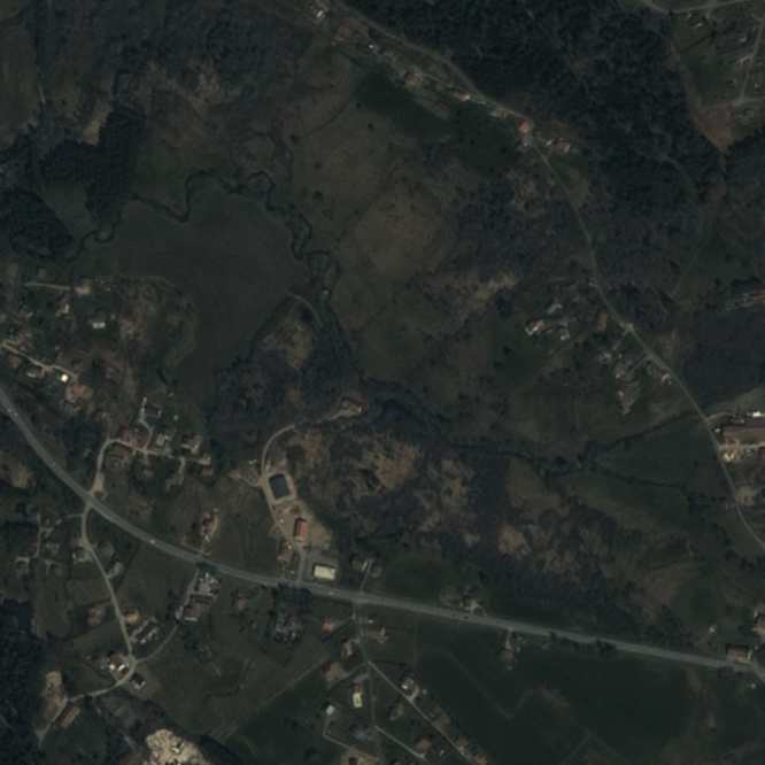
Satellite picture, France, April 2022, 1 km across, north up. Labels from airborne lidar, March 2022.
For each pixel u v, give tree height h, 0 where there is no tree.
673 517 0
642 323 19
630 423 0
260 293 0
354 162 0
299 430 8
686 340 0
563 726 0
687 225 17
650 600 0
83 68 0
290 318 0
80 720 0
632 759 0
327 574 0
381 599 0
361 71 0
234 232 0
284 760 0
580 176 0
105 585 0
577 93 40
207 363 0
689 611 0
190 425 0
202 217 0
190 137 0
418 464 6
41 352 0
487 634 0
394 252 0
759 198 7
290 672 0
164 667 0
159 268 0
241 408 9
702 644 0
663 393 0
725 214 17
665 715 0
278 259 0
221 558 0
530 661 0
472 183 0
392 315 0
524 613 0
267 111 0
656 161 0
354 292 0
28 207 30
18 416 0
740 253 14
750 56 0
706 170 34
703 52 0
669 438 0
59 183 26
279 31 11
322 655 0
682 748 0
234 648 0
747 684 14
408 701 0
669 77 8
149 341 0
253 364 11
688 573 0
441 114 0
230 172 0
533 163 0
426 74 0
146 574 0
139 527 0
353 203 0
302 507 0
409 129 0
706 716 0
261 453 9
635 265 21
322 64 0
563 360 0
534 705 0
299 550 0
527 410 0
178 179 0
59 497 17
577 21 18
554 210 14
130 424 0
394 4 33
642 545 0
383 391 18
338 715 0
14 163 27
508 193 9
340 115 0
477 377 0
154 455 0
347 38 0
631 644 0
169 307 0
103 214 26
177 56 5
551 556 0
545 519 8
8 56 0
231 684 0
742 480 0
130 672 0
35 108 0
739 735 0
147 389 0
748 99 0
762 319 16
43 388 7
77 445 13
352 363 21
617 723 0
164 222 0
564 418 0
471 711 0
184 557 0
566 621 0
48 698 0
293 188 0
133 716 0
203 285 0
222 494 0
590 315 0
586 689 0
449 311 14
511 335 0
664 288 0
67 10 16
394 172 0
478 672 0
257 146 0
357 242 0
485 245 18
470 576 0
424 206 0
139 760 9
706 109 0
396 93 0
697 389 16
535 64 15
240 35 15
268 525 0
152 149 0
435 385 0
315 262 21
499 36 11
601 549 0
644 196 29
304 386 7
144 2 14
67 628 0
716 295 10
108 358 0
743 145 0
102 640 0
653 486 6
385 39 8
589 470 16
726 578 0
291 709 0
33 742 32
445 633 0
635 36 11
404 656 0
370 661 0
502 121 0
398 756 0
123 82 24
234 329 0
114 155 30
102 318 0
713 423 0
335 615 0
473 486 7
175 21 12
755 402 0
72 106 0
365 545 13
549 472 13
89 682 0
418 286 12
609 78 42
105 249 0
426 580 0
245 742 0
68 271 7
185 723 0
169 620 11
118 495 0
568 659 0
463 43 24
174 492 0
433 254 0
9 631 36
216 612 0
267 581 0
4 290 17
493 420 0
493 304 9
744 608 0
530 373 0
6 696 33
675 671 0
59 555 0
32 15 17
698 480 0
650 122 8
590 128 15
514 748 0
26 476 0
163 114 8
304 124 0
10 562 0
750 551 0
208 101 6
